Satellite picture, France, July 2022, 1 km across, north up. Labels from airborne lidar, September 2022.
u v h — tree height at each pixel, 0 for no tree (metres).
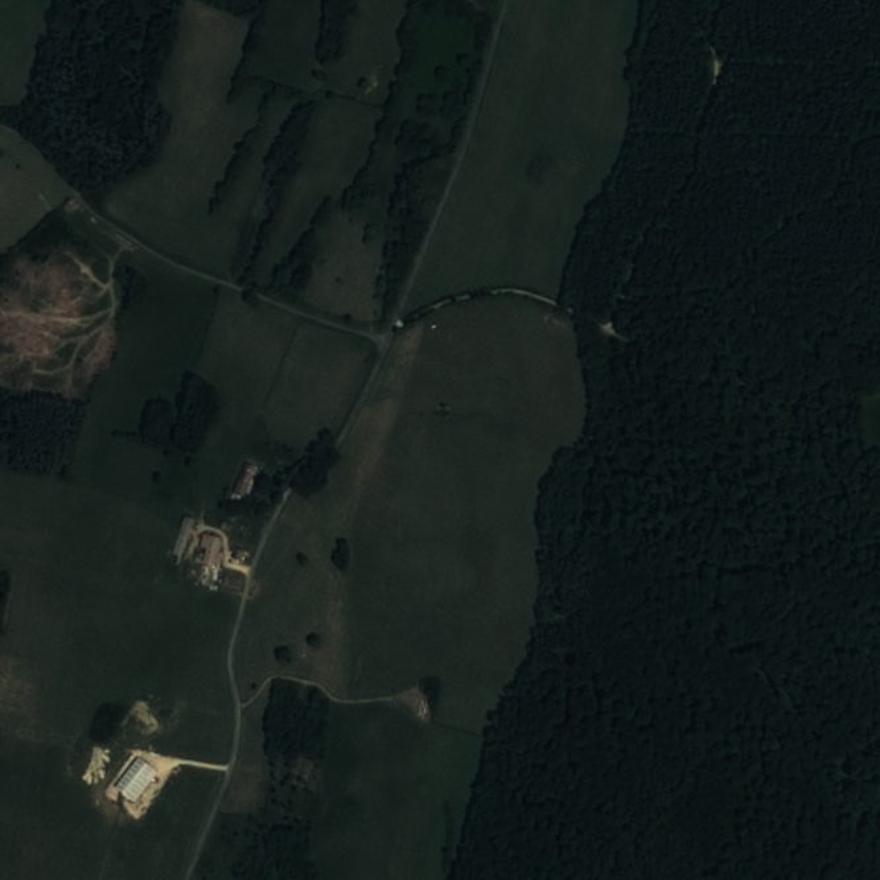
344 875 0
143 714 0
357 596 0
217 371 0
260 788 0
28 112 20
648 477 23
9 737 0
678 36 22
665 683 30
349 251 0
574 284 18
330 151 0
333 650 0
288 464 0
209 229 0
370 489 0
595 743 27
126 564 0
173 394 0
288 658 14
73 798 0
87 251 7
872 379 24
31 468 26
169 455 14
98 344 0
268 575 0
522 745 27
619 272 21
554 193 0
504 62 0
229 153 0
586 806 25
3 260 7
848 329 24
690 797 13
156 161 14
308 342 0
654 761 24
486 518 0
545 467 0
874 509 26
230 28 0
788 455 23
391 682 0
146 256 0
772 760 28
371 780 0
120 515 0
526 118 0
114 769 0
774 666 30
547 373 0
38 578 0
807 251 22
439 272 0
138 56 20
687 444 18
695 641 30
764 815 24
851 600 26
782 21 21
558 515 24
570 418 0
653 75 17
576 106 0
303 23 0
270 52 0
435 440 0
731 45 24
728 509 15
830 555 25
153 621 0
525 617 0
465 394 0
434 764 0
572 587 25
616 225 24
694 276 27
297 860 14
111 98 21
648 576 23
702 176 21
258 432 0
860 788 25
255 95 0
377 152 13
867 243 26
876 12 24
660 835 13
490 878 27
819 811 18
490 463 0
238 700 0
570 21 0
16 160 0
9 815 0
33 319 0
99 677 0
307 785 17
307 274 18
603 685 33
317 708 13
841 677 22
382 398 0
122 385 0
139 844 0
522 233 0
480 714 0
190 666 0
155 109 36
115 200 0
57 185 0
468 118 11
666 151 28
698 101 23
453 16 9
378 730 0
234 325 0
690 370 23
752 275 17
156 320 0
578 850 25
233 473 0
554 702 28
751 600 29
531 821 29
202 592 0
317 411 0
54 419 26
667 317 19
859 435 19
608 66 0
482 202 0
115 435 8
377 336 0
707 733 25
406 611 0
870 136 16
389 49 0
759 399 17
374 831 0
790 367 19
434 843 0
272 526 0
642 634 24
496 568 0
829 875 27
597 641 28
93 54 27
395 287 14
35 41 0
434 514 0
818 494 23
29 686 0
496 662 0
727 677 30
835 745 26
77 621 0
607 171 0
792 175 26
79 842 0
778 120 31
